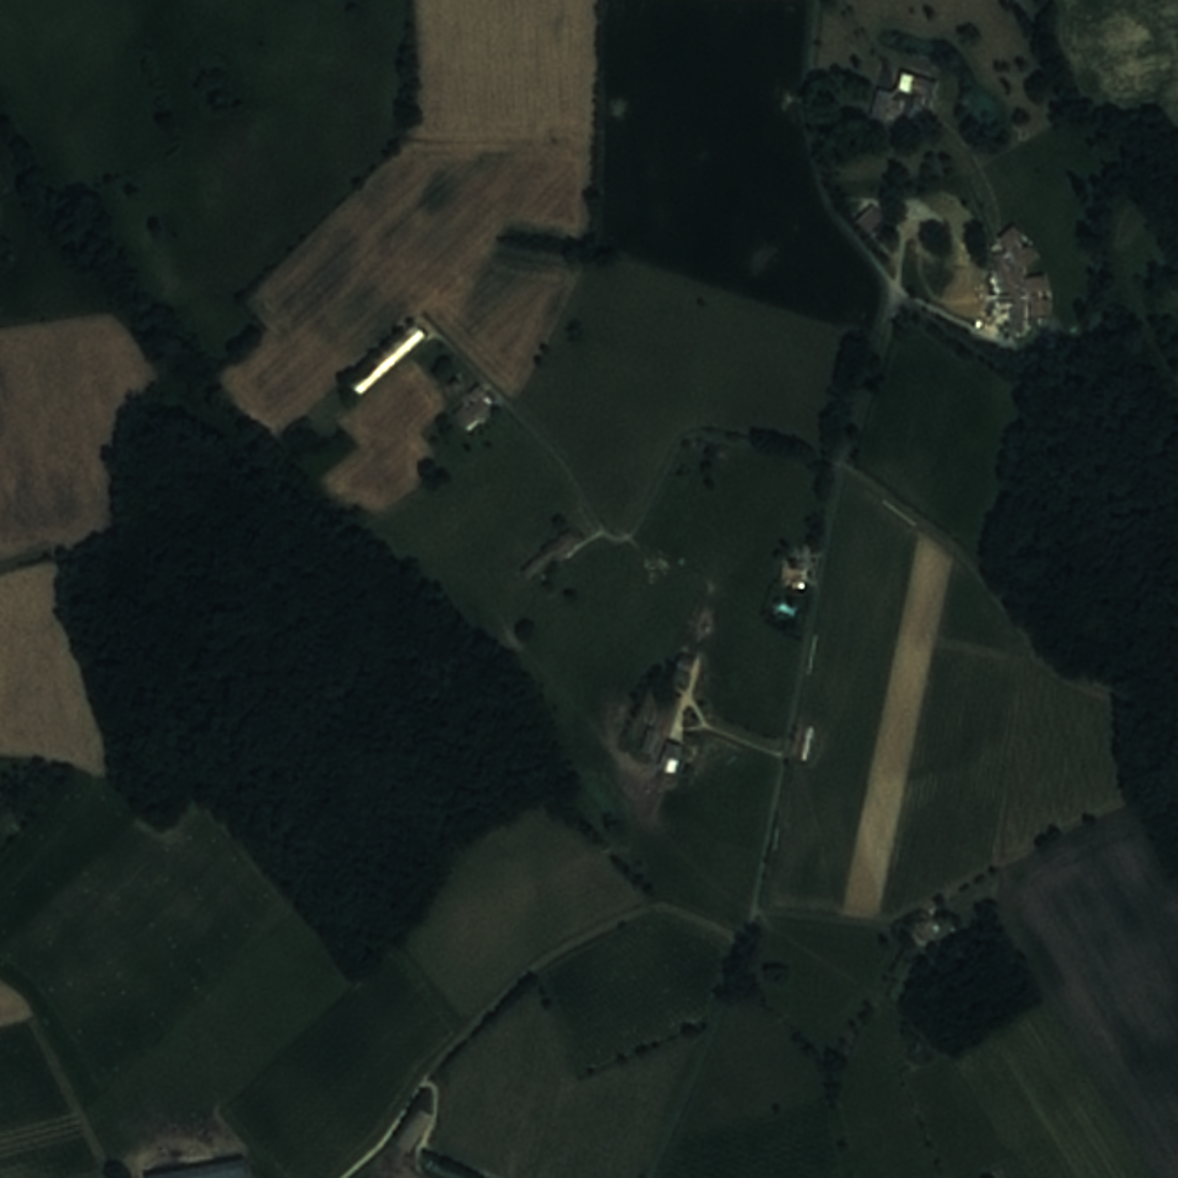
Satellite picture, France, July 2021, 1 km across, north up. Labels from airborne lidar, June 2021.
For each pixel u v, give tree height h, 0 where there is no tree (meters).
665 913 0
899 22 0
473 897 0
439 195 0
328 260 0
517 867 0
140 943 0
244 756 26
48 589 0
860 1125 0
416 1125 0
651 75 0
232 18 0
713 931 0
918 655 0
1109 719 0
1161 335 16
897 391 0
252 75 0
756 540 0
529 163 0
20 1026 0
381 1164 0
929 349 0
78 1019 0
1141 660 17
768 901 0
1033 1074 0
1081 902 0
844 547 0
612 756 0
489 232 0
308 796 19
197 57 0
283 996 0
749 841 0
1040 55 9
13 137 11
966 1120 0
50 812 0
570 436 0
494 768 20
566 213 0
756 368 0
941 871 0
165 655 22
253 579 27
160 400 6
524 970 0
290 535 26
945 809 0
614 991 0
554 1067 0
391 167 0
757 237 0
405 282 0
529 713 16
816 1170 0
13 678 0
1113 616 18
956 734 0
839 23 0
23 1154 0
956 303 0
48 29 0
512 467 0
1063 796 0
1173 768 24
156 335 18
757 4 0
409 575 22
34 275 0
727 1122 0
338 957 14
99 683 16
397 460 0
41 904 0
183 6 0
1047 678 0
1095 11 0
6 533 0
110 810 0
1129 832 0
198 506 21
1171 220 15
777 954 0
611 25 0
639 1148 0
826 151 15
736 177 0
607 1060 0
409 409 0
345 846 20
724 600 0
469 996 0
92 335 0
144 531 22
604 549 0
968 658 0
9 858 0
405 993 0
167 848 0
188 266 0
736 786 0
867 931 0
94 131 0
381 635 25
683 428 0
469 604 0
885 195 13
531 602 0
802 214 0
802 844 0
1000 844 0
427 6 0
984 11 0
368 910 21
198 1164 0
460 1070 0
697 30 0
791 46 0
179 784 22
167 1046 0
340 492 0
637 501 0
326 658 26
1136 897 0
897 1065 0
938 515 0
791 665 0
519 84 0
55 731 0
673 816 0
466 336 0
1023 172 0
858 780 0
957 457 0
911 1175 0
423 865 19
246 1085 0
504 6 0
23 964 0
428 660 22
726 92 0
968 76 10
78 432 0
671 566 0
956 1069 0
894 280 0
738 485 0
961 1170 0
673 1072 0
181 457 27
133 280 13
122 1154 0
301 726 21
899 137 19
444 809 21
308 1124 0
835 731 0
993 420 0
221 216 0
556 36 0
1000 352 12
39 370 0
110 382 0
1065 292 0
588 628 0
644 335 0
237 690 27
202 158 0
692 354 0
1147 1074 0
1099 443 22
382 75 0
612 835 10
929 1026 8
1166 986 0
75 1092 0
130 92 0
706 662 0
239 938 0
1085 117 20
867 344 12
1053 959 0
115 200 0
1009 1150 0
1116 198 29
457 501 0
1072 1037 0
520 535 0
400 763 20
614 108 0
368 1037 0
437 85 0
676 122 0
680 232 0
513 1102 0
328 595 24
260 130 0
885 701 0
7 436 0
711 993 0
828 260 0
